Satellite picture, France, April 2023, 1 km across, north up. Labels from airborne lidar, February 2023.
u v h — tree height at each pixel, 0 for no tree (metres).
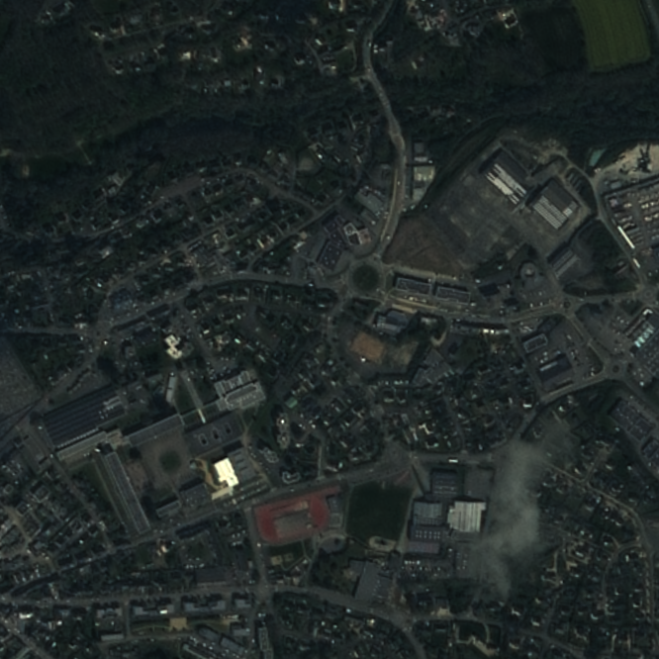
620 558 0
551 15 0
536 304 0
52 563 0
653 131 11
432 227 0
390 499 0
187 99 18
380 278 0
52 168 0
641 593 0
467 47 7
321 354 0
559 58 0
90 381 0
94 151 8
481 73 11
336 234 0
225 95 18
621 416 0
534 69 18
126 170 7
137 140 21
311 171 0
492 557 10
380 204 0
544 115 10
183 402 0
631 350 0
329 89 12
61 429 0
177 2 11
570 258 0
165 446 0
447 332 0
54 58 16
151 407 16
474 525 0
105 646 0
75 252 20
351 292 0
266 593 0
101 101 13
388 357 0
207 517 0
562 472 0
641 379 0
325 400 0
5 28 0
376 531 0
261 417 0
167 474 0
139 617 0
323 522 0
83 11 17
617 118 17
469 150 0
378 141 16
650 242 0
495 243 0
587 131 9
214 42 15
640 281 0
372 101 14
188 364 13
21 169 17
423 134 8
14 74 15
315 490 0
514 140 0
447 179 0
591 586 12
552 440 0
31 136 18
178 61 9
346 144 18
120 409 0
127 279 0
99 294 0
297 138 9
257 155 0
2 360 0
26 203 25
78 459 0
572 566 0
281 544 0
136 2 11
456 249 0
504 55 23
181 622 0
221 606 0
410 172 0
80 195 11
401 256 0
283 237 0
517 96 15
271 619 11
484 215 0
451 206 0
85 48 17
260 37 8
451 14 0
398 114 22
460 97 11
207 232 0
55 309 7
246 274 0
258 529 0
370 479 0
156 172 0
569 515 10
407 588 13
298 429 14
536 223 0
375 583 0
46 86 11
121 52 0
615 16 0
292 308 0
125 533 10
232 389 0
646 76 10
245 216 0
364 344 0
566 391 0
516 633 14
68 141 22
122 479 0
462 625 0
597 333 0
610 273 9
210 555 0
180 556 0
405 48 14
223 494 0
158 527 0
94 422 0
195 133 33
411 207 0
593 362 0
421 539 0
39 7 15
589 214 0
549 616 0
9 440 0
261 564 0
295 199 0
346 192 15
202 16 12
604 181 0
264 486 0
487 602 11
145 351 0
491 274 0
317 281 0
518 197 0
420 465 0
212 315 0
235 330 10
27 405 0
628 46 0
